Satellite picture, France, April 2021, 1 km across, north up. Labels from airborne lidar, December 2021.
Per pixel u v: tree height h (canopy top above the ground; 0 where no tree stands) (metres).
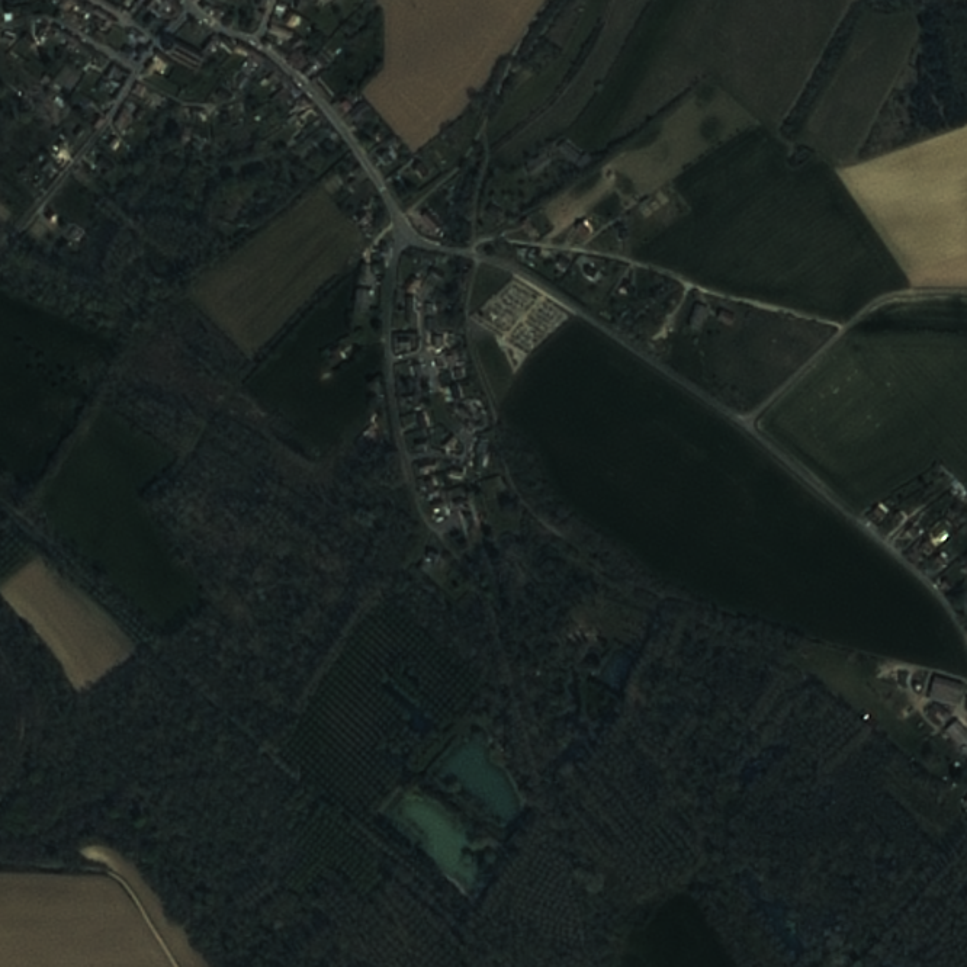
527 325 0
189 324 6
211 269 8
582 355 0
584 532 8
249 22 10
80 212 0
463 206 20
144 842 8
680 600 7
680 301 0
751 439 0
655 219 0
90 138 0
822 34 0
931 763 19
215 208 17
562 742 19
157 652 17
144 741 22
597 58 0
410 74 0
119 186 8
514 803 0
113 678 12
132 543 0
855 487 0
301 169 22
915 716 0
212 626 30
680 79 0
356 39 8
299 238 0
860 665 0
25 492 29
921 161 0
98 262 7
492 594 27
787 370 0
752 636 21
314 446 0
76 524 0
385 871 10
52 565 31
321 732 22
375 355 0
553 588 30
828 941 23
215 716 18
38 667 19
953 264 0
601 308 0
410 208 0
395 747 22
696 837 28
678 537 0
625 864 36
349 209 7
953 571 0
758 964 19
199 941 15
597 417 0
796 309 0
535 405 0
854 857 21
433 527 0
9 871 7
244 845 11
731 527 0
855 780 22
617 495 0
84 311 19
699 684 21
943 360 0
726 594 0
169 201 14
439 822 0
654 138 0
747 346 0
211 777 12
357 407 0
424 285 0
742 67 0
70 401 0
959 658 0
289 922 8
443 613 22
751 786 26
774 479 0
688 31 0
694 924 0
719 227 0
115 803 23
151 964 0
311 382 0
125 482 0
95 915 0
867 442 0
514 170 7
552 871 33
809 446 0
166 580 0
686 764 31
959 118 12
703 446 0
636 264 0
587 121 0
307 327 0
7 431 0
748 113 0
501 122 0
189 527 25
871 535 0
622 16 0
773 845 21
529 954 35
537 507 7
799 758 18
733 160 0
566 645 36
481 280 0
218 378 27
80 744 22
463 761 0
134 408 9
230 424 15
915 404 0
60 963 0
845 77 0
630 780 34
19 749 9
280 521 34
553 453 0
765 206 0
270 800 16
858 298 0
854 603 0
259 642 31
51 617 0
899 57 0
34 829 20
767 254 0
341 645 28
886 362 0
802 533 0
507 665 31
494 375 0
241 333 0
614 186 0
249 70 0
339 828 28
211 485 6
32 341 0
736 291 0
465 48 0
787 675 32
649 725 34
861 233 0
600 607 28
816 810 20
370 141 14
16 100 13
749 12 0
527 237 0
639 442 0
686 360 0
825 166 0
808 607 0
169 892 13
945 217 0
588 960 32
